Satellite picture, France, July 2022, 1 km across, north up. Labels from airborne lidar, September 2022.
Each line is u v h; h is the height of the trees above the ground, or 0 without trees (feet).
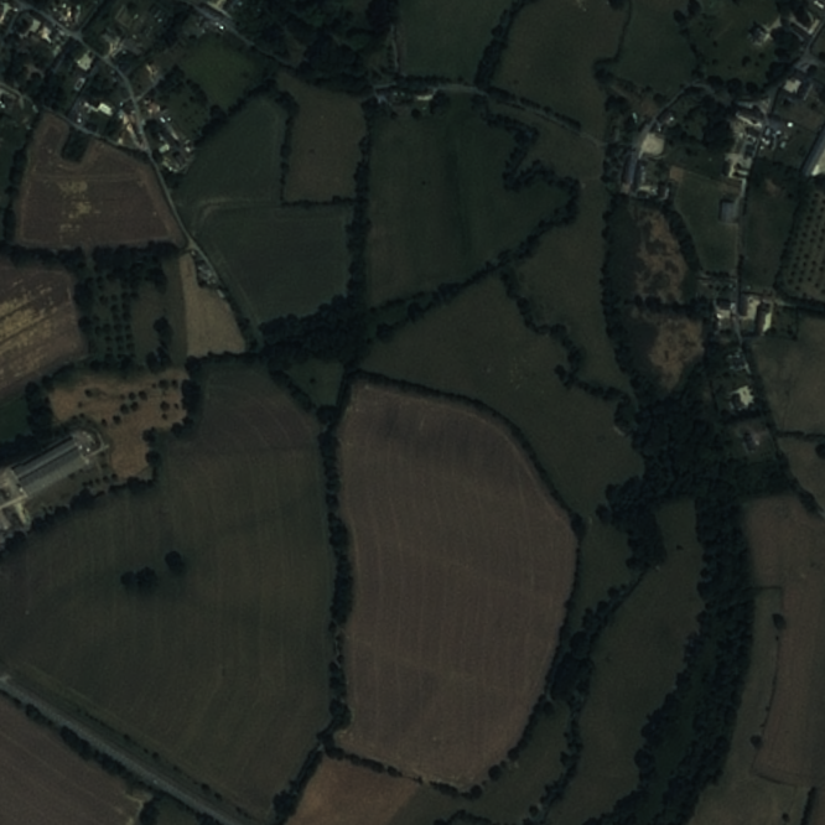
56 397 0
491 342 0
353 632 0
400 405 0
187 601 0
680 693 30
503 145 0
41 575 0
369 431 0
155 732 0
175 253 57
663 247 0
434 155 0
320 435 0
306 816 0
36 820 0
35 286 0
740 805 0
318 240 0
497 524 0
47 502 0
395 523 0
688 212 0
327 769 0
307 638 0
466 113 0
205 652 0
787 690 0
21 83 34
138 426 0
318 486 0
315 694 0
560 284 0
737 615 47
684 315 29
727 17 0
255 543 0
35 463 0
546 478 32
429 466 0
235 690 0
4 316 0
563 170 0
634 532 58
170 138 0
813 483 0
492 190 0
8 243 36
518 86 0
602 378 0
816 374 0
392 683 0
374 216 0
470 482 0
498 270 59
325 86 20
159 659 0
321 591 0
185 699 0
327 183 0
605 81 72
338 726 47
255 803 0
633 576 22
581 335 0
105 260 56
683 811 39
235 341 0
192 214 0
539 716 28
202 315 0
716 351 73
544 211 0
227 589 0
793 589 0
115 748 0
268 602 0
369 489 0
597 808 0
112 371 30
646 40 0
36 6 43
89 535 0
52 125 0
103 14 18
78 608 0
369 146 37
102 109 0
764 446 0
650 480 64
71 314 0
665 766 0
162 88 43
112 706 0
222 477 0
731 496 36
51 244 0
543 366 0
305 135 0
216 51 0
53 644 0
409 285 0
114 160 0
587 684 57
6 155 0
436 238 0
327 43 105
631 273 0
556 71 0
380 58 0
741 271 28
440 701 0
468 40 0
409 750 0
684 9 0
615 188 25
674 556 0
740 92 56
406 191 0
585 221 0
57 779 0
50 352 0
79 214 0
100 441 0
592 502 0
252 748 0
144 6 0
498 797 0
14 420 0
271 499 0
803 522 0
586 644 77
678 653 0
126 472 0
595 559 0
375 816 0
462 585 0
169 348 55
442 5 0
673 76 0
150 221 0
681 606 0
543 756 0
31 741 0
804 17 59
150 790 19
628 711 0
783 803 0
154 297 0
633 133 47
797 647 0
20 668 0
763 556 0
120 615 0
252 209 0
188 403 49
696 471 41
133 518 0
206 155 0
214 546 0
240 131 0
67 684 0
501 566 0
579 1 0
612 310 45
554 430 0
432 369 0
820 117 0
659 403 43
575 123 39
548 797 26
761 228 0
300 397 51
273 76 21
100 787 0
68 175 0
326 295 0
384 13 48
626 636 0
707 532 77
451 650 0
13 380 0
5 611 0
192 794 0
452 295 72
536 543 0
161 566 0
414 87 48
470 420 0
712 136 65
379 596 0
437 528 0
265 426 0
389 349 0
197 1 0
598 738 0
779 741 0
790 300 27
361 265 45
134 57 31
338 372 0
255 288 0
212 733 0
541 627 0
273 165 0
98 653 0
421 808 0
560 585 0
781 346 0
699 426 54
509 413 0
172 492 0
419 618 0
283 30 54
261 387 0
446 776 0
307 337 84
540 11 0
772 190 0
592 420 0
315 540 0
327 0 82
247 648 0
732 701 36
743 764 0
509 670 0
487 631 0
